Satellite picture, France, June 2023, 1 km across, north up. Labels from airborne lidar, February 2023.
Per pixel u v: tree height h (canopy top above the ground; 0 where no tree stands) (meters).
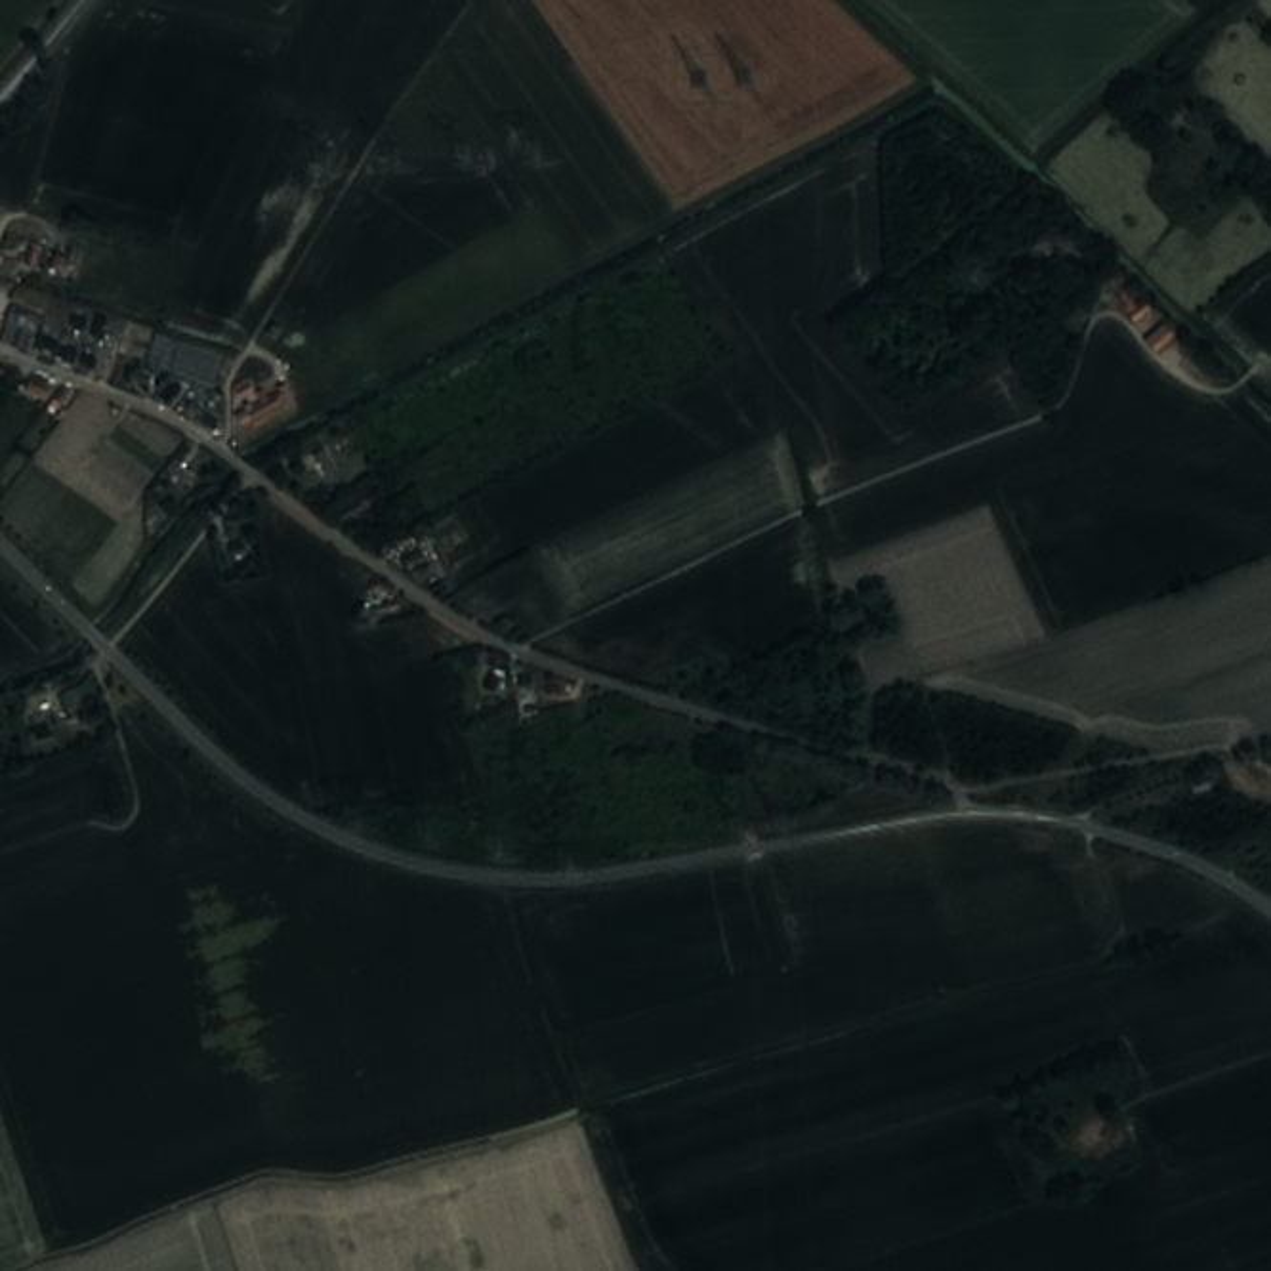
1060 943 0
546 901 0
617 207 0
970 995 0
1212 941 0
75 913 0
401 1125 0
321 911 0
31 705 0
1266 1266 0
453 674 9
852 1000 0
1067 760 0
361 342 0
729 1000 0
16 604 0
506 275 0
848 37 0
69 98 0
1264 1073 0
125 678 0
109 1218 0
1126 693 0
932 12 0
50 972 0
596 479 0
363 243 0
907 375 21
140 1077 0
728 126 0
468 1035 0
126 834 0
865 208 0
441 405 0
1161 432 0
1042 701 0
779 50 0
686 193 0
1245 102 0
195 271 0
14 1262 0
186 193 0
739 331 0
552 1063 0
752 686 6
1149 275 0
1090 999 0
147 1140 0
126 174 0
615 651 0
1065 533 0
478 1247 0
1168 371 0
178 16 0
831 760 14
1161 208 0
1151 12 0
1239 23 0
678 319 0
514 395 0
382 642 0
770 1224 0
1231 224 0
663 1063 0
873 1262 0
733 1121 0
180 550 0
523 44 0
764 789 0
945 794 13
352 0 0
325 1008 0
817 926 0
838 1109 0
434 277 0
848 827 0
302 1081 0
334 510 6
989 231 21
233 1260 0
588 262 0
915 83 0
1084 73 0
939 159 18
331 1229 0
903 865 0
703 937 0
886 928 0
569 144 0
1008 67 0
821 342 0
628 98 0
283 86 0
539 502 0
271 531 0
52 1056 0
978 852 0
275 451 10
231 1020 0
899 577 0
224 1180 0
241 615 0
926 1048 0
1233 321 0
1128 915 0
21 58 0
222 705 0
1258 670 0
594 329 0
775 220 0
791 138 0
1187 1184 0
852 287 0
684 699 6
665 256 0
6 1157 0
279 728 0
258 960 0
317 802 0
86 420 0
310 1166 0
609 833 0
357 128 0
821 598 0
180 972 0
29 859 0
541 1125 0
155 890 0
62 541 0
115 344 0
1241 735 0
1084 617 0
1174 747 0
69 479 0
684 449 0
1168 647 0
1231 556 0
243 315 0
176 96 0
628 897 0
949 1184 0
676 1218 0
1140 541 0
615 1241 0
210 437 0
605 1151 0
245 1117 0
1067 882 0
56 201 0
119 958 0
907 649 0
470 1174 0
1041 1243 0
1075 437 0
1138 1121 0
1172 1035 0
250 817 0
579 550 0
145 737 0
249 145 0
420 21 0
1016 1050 0
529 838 0
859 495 0
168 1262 0
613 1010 0
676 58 0
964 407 0
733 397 0
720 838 0
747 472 0
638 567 0
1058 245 0
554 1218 0
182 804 0
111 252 0
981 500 0
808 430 0
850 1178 0
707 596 0
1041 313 22
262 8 0
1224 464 0
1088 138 0
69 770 0
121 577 0
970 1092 0
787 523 0
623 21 0
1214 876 0
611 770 0
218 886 0
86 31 0
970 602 0
